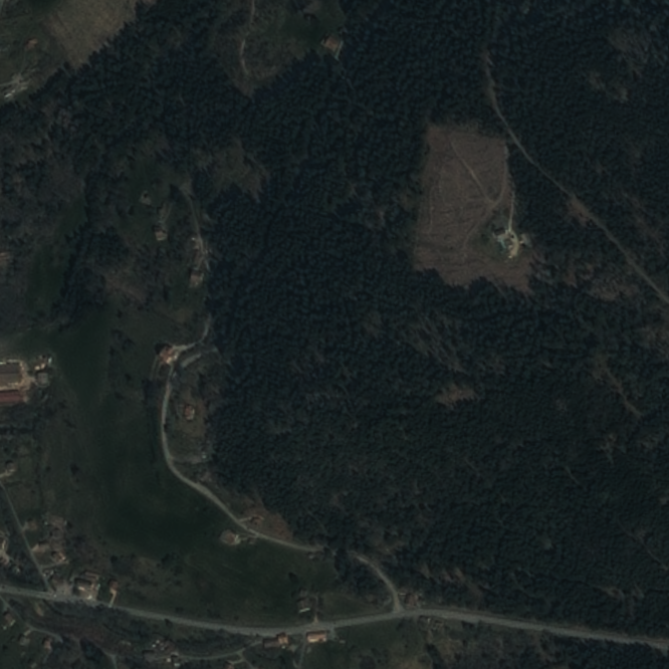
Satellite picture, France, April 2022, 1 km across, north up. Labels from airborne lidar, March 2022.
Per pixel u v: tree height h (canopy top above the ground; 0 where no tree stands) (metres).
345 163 31
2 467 0
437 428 21
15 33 0
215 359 6
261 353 26
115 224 15
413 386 25
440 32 29
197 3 8
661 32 9
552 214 23
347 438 17
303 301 16
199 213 0
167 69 32
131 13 0
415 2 26
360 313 30
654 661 26
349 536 32
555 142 21
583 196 25
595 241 29
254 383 30
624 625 24
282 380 28
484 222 0
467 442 24
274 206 23
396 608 0
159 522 0
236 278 32
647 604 15
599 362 23
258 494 24
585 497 28
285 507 31
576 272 10
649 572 26
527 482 32
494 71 19
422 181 23
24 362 0
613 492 14
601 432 16
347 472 22
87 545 14
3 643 0
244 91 0
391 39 31
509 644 12
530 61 31
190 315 0
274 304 27
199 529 0
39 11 0
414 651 0
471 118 15
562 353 7
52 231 23
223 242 24
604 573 28
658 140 25
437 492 28
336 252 29
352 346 27
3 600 0
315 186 23
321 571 0
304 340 21
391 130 32
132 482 0
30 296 0
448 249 0
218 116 16
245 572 0
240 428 27
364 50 31
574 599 33
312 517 23
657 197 28
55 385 0
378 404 28
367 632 0
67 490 0
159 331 0
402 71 35
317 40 0
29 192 28
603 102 25
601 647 18
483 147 0
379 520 29
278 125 26
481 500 33
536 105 25
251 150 30
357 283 26
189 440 0
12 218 21
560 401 18
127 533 0
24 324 15
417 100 32
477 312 20
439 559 26
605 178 12
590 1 32
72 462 0
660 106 14
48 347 0
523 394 24
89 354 0
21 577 16
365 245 29
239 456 30
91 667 18
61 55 0
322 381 27
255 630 0
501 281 0
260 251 32
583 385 22
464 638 6
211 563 0
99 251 28
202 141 24
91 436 0
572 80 27
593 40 26
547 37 21
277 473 30
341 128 9
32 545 0
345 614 0
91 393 0
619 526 19
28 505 0
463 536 24
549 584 33
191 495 0
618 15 23
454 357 28
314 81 32
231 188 0
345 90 30
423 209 0
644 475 8
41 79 18
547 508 30
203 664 6
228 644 16
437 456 20
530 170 24
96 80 27
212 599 0
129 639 17
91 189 27
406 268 28
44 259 0
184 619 10
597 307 28
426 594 17
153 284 21
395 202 27
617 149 24
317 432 22
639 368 9
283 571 0
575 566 26
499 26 26
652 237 21
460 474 24
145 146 19
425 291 24
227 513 0
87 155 34
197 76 32
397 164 27
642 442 16
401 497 26
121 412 0
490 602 31
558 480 31
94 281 17
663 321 13
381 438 25
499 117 19
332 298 24
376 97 28
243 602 0
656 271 19
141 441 0
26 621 16
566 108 28
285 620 0
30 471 0
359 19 30
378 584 26
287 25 0
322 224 30
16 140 24
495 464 27
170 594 0
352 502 20
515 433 27
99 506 0
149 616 0
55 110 26
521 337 25
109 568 0
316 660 0
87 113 7
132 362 0
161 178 0
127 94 31
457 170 0
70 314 16
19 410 11
